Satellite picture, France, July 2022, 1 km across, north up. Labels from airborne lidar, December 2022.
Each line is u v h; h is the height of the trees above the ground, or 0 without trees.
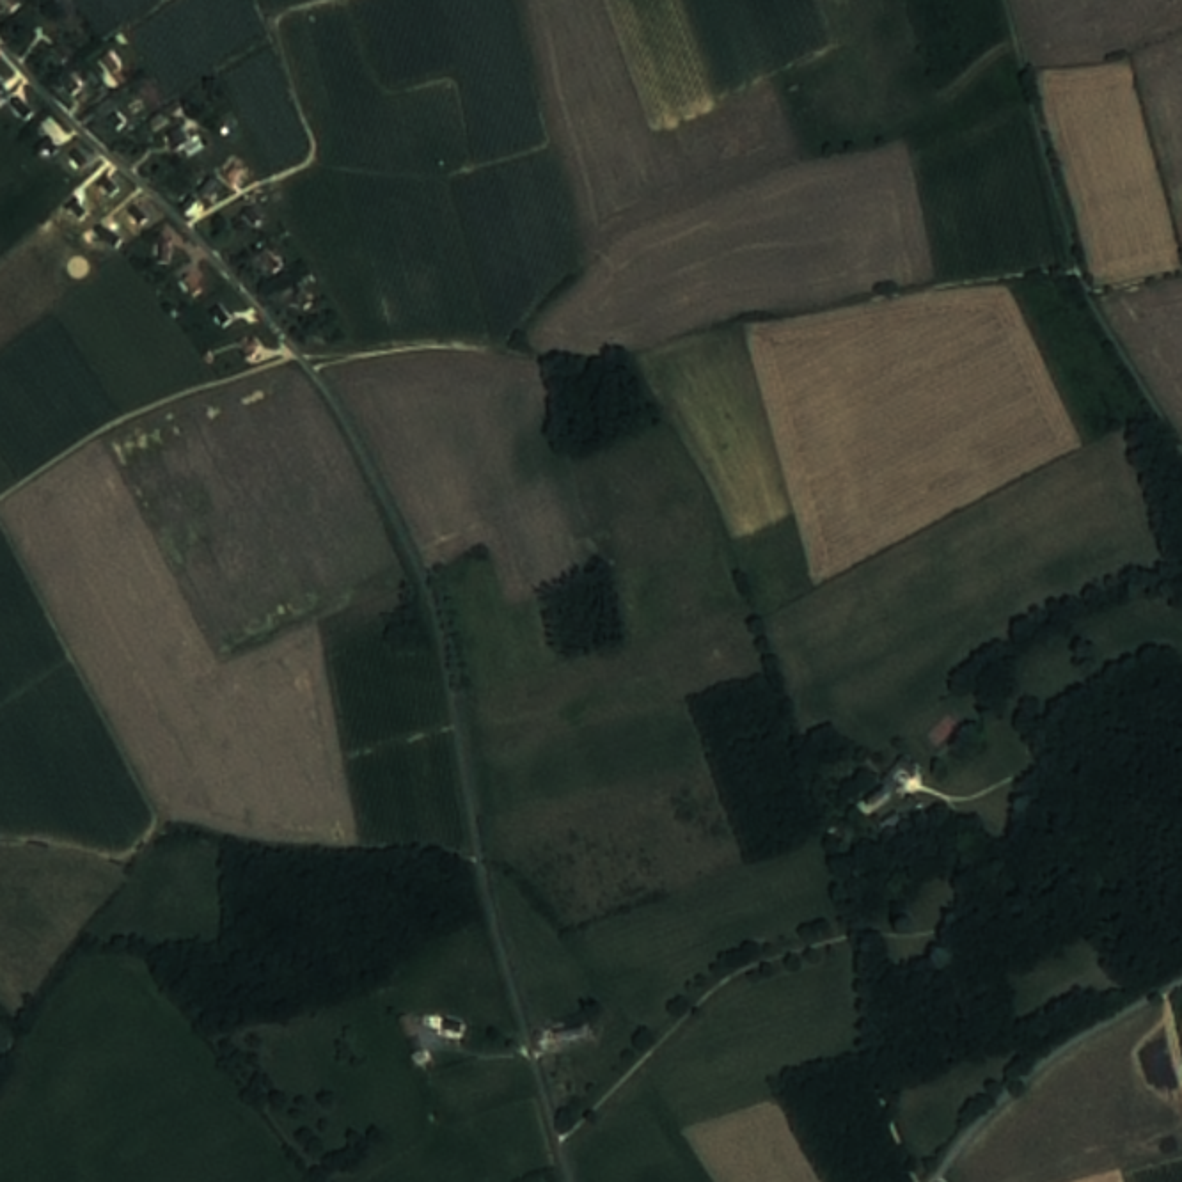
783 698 12
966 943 30
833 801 12
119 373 0
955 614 0
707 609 0
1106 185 0
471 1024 0
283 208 0
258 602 0
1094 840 24
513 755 0
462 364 0
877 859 25
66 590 0
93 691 0
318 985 15
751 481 0
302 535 0
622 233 0
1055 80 0
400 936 23
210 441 0
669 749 0
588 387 20
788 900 0
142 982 0
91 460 0
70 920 0
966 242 0
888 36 0
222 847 6
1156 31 0
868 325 0
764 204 0
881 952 23
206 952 11
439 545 0
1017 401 0
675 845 0
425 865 16
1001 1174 0
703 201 0
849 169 0
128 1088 0
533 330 0
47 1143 0
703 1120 0
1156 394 0
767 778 9
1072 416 0
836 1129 11
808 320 0
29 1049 0
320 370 0
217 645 0
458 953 0
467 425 0
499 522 0
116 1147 0
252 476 0
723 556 0
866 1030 21
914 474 0
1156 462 20
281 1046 0
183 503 0
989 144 0
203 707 0
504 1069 0
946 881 17
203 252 0
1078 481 0
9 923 0
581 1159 0
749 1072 0
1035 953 28
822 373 0
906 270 0
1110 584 14
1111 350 9
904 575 0
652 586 0
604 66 0
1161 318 0
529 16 0
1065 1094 0
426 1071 0
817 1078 11
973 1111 18
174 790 0
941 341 0
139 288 0
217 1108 0
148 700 0
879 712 0
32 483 0
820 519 0
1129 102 0
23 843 0
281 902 20
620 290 0
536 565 0
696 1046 0
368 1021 0
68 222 0
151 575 0
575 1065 0
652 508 0
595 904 0
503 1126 0
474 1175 0
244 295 0
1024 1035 20
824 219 0
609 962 0
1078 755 23
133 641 0
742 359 0
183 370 0
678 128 0
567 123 0
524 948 0
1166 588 25
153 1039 0
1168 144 0
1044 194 0
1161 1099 0
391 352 0
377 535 0
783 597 0
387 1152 0
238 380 0
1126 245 0
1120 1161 0
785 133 0
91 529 0
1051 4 0
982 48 6
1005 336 0
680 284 0
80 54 7
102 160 0
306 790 0
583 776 0
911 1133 0
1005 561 0
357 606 0
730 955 12
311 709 0
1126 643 0
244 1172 0
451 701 0
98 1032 0
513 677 0
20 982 0
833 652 0
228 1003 14
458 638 9
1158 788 19
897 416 0
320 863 16
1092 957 0
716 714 11
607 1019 0
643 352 0
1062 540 0
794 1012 0
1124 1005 19
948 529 0
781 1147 0
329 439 0
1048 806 23
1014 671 23
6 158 0
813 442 0
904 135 0
